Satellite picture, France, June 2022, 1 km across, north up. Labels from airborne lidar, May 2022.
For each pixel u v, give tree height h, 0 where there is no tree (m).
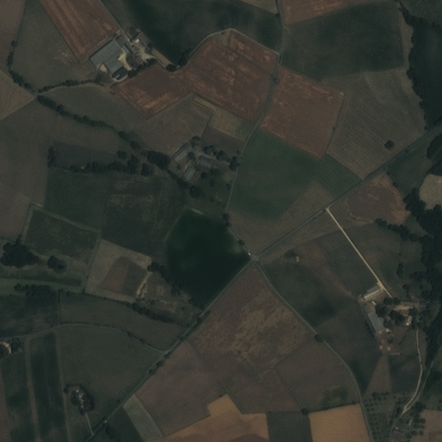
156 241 0
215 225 0
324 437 0
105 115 0
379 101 0
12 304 0
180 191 0
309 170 0
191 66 0
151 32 0
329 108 0
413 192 7
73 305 0
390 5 0
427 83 0
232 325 0
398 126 0
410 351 0
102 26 0
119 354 0
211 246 0
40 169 0
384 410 0
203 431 0
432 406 0
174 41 0
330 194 0
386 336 0
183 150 0
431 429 0
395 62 0
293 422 0
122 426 0
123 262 0
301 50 0
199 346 0
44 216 0
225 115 0
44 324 0
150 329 0
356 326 0
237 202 0
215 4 0
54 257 13
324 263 0
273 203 0
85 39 0
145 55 0
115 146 0
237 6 0
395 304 10
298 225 0
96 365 0
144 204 0
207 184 0
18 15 0
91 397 11
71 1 0
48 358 0
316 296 0
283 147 0
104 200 0
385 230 0
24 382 0
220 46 0
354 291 0
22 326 0
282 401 0
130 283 0
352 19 0
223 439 0
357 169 0
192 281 0
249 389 0
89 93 0
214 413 0
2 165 0
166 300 0
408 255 0
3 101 0
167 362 0
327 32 0
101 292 0
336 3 0
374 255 0
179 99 0
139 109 0
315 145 0
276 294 0
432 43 0
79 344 0
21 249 17
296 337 0
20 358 0
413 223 0
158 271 13
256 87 0
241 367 0
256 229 0
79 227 0
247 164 0
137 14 0
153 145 0
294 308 0
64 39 0
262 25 0
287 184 0
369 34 0
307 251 0
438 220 17
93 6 0
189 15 0
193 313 0
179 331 0
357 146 0
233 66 0
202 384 0
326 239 0
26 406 0
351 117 0
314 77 0
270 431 0
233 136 0
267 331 0
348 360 0
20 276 0
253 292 0
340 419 0
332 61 0
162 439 0
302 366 0
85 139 0
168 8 0
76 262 0
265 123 0
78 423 0
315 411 0
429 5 0
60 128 0
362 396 0
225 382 0
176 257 0
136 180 0
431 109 0
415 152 0
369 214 0
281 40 0
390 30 0
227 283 0
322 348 0
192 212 0
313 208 0
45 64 0
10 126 0
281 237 0
